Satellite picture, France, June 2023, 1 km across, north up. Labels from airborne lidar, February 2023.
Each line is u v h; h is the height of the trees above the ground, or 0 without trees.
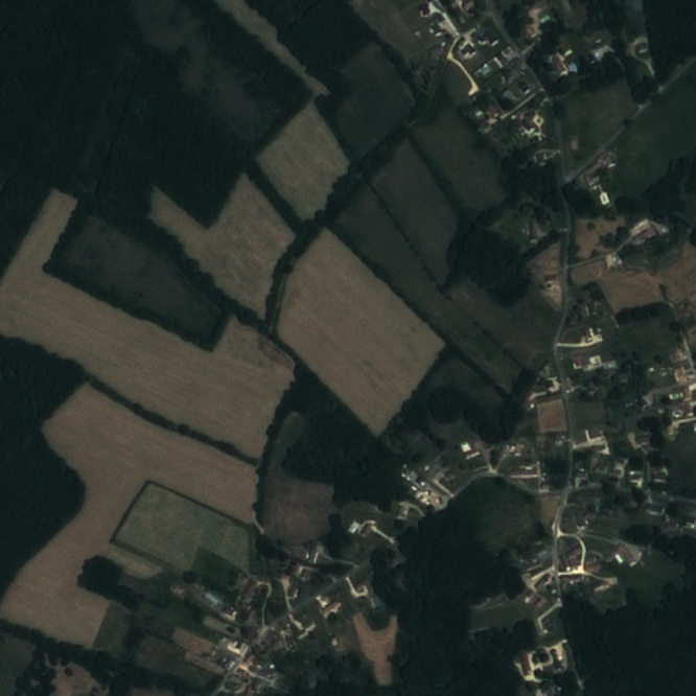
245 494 0
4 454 16
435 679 25
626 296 0
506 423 15
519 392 14
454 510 15
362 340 0
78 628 0
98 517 0
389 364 0
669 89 0
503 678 26
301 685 12
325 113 11
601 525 0
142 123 17
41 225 0
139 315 14
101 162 8
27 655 0
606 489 14
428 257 0
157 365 0
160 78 10
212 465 0
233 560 0
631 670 23
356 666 12
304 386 6
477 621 0
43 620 0
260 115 0
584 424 0
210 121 7
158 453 0
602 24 8
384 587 25
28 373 13
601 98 0
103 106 11
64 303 0
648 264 0
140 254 0
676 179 22
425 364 0
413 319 0
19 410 18
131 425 0
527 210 13
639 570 0
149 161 18
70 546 0
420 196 0
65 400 10
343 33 21
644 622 23
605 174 7
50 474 17
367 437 16
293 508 0
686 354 0
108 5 22
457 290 0
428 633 13
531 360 0
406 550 19
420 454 8
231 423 0
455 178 0
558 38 17
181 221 0
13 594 0
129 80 9
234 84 0
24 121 21
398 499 19
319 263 0
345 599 0
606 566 0
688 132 0
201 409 0
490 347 0
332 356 0
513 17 14
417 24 0
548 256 0
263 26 0
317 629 0
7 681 0
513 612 0
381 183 0
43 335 0
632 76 14
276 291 11
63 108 16
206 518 0
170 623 0
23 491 15
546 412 0
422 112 13
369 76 0
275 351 0
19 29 24
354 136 0
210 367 0
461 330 0
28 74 24
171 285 0
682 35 24
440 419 17
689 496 13
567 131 0
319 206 0
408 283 0
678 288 0
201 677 0
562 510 0
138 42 18
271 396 0
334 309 0
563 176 0
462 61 0
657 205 19
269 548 9
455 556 22
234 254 0
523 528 0
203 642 0
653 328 0
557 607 0
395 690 8
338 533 17
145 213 16
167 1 0
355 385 0
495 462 12
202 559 0
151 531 0
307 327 0
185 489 0
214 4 14
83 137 23
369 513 0
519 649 23
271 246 0
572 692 21
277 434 11
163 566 0
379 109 0
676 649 22
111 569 18
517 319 7
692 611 23
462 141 0
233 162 14
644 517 0
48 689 10
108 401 0
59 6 25
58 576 0
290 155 0
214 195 19
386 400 0
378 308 0
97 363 0
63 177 19
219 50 6
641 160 0
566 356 0
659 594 0
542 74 16
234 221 0
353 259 0
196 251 0
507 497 0
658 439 20
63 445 0
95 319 0
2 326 0
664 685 28
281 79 12
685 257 0
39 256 0
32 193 13
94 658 13
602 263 0
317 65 18
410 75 12
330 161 0
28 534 17
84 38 23
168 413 0
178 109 16
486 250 25
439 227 0
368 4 0
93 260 0
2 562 16
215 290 9
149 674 13
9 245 10
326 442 11
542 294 0
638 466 13
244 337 0
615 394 10
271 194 15
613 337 0
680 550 21
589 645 21
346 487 19
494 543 0
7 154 13
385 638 0
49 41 23
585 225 0
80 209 13
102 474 0
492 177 0
